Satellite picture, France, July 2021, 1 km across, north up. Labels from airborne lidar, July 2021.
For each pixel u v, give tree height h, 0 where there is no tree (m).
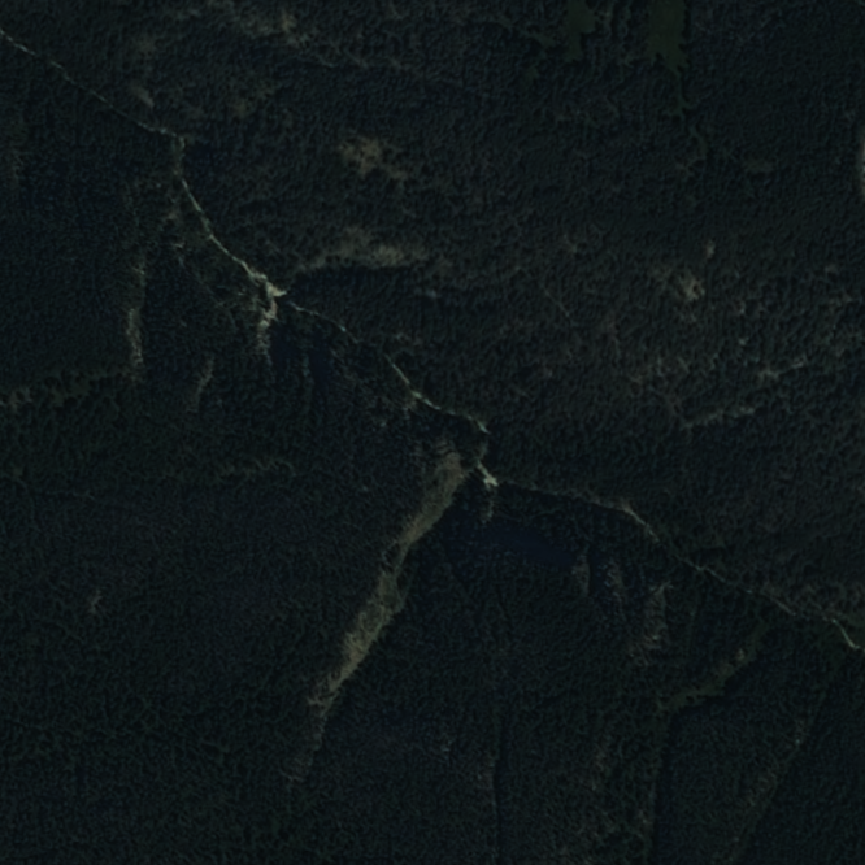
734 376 12
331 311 24
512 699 16
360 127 13
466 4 14
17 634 20
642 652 19
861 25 12
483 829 13
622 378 17
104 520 14
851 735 12
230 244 23
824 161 11
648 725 29
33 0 20
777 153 12
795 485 11
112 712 23
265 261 30
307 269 7
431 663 20
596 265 16
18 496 15
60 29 19
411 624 23
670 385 12
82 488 19
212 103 14
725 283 20
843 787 19
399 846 15
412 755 12
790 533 18
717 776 21
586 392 17
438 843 15
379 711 9
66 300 20
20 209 19
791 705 22
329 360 15
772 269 17
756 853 11
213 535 15
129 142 32
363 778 18
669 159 18
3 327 19
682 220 13
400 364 26
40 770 24
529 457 24
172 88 10
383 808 15
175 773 16
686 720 11
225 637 13
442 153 14
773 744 15
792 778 8
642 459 16
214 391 20
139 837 13
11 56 22
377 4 7
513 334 12
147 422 21
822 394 12
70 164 20
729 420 8
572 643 18
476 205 16
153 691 19
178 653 16
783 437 15
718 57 10
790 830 10
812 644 17
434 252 11
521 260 8
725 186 20
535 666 15
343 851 22
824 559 23
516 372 26
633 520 7
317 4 9
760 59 14
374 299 19
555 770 17
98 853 16
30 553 12
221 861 17
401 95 14
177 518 11
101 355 22
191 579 17
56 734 22
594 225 16
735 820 14
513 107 17
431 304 26
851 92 8
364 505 13
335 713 9
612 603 11
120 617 13
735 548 26
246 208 6
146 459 20
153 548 16
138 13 18
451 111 17
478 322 23
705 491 16
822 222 15
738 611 28
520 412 25
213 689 19
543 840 13
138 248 18
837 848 11
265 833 20
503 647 11
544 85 14
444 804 18
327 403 18
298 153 16
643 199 18
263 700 23
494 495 21
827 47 14
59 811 18
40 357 17
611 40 15
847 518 13
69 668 19
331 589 18
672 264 14
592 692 22
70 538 14
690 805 15
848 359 13
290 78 17
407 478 13
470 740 19
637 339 15
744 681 30
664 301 15
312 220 12
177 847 7
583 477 18
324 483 17
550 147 14
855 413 15
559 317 17
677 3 0
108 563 16
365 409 12
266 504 13
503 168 20
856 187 12
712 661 23
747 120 16
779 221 14
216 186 19
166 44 8
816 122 15
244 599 10
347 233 7
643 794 17
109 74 19
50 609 20
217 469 24
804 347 7
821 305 6
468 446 27
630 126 23
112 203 22
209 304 13
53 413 24
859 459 17
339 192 13
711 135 20
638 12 21
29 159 10
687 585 25
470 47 19
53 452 25
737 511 19
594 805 8
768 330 15
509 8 15
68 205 12
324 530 18
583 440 31
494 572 14
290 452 23
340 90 18
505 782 14
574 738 23
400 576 8
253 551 16
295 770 13
